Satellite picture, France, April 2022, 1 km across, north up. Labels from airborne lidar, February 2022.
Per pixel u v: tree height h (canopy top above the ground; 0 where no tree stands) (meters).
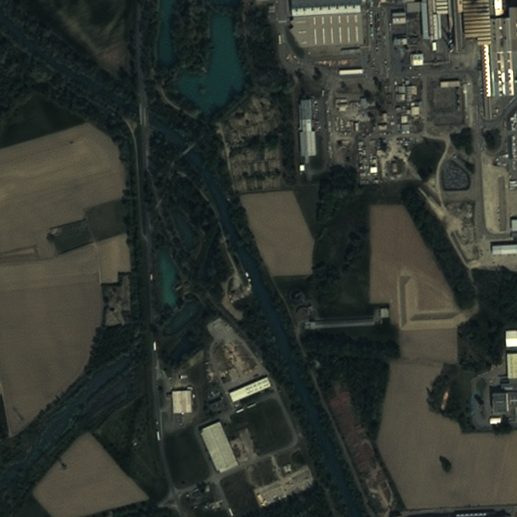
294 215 0
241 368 0
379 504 0
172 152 18
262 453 0
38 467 9
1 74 24
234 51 0
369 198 0
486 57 0
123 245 0
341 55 0
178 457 0
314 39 0
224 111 9
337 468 0
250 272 0
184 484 6
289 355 0
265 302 0
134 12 0
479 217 0
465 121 0
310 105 0
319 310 0
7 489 6
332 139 0
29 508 0
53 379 0
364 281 0
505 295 21
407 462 0
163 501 0
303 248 0
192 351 6
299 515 22
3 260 0
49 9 0
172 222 15
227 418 0
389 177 0
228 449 0
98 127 0
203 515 0
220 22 0
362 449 0
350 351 24
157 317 0
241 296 0
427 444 0
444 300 0
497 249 0
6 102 20
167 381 0
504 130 0
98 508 0
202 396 0
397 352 25
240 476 0
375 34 0
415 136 0
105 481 0
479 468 0
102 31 0
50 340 0
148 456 0
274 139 19
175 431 0
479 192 0
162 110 12
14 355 0
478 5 0
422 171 0
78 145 0
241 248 0
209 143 18
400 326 0
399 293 0
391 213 0
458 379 0
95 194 0
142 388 0
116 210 0
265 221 0
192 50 9
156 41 13
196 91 0
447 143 0
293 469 0
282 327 0
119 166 0
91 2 0
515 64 0
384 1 0
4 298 0
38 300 0
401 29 0
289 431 0
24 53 0
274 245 0
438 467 0
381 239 0
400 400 0
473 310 0
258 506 0
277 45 0
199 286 15
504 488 0
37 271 0
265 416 0
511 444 0
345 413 0
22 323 0
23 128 0
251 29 22
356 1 0
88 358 0
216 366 0
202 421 0
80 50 0
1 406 0
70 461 0
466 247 0
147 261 0
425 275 0
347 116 0
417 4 0
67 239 0
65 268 0
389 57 0
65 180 0
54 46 19
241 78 0
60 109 0
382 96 11
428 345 0
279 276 0
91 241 13
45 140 0
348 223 0
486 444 0
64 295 0
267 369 0
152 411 0
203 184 20
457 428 0
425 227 20
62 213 0
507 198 0
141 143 0
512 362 0
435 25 0
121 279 9
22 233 0
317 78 12
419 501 0
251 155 0
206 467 0
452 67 0
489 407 0
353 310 0
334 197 23
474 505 0
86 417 6
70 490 0
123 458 0
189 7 22
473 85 0
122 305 0
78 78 0
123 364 0
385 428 0
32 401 0
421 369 0
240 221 20
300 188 0
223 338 0
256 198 0
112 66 0
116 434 0
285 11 0
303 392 0
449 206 0
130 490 0
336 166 0
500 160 0
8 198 0
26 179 0
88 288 0
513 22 0
